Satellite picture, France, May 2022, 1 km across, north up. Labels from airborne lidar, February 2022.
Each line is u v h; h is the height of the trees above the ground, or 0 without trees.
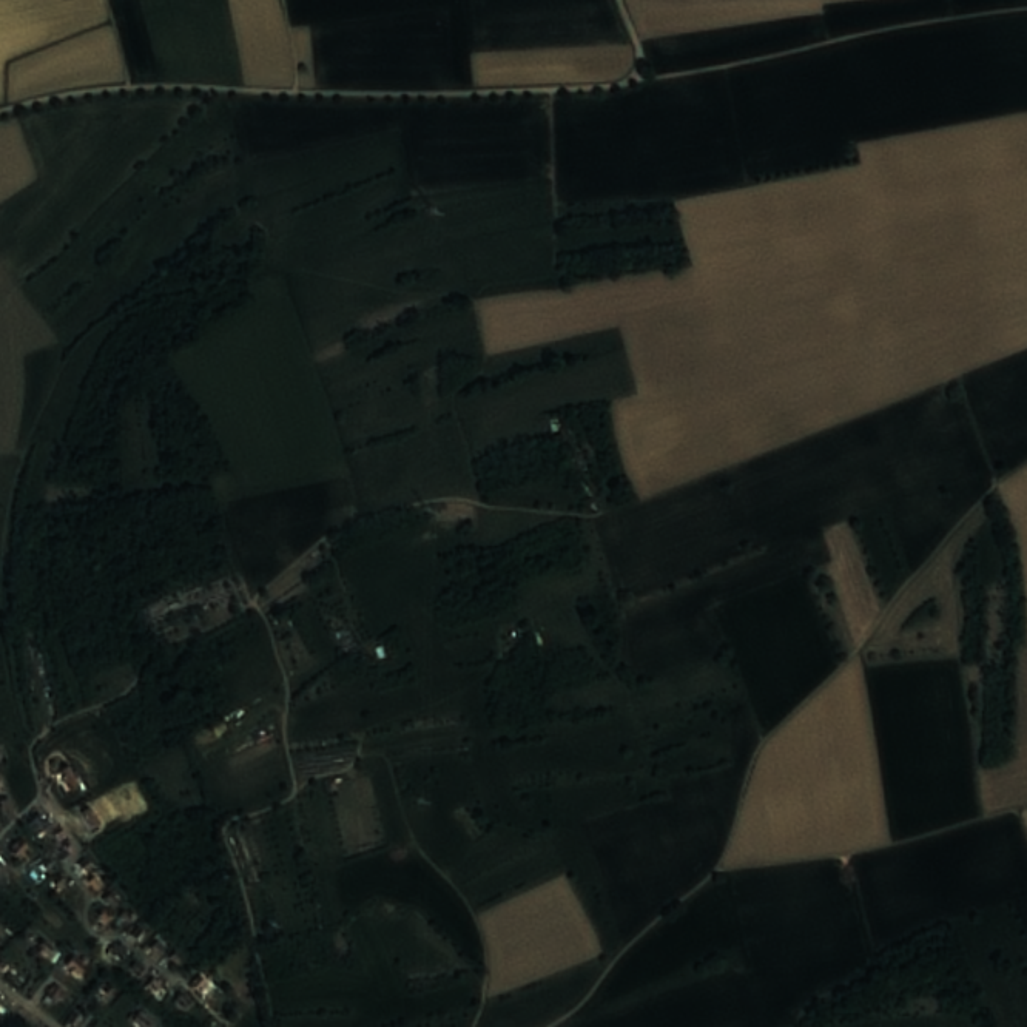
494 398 0
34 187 0
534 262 0
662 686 0
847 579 0
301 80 0
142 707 7
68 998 0
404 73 0
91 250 0
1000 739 7
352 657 6
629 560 0
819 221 0
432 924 8
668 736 0
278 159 0
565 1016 0
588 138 0
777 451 0
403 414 0
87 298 0
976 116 0
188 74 0
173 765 0
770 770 0
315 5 0
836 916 0
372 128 0
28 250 0
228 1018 13
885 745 0
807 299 0
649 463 0
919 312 0
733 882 0
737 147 0
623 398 0
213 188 0
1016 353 0
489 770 0
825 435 0
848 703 0
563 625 0
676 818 0
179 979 0
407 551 0
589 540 0
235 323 0
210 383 0
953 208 0
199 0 0
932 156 0
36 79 0
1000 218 0
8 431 0
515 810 0
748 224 0
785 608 0
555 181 0
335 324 0
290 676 0
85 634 17
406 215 8
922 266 0
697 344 0
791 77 0
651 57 0
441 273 0
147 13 0
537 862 0
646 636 0
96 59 0
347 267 0
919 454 0
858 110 0
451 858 0
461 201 0
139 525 18
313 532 0
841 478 0
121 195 0
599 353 0
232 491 0
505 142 0
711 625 0
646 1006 0
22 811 0
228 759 0
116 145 0
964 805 0
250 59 0
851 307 0
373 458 0
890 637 0
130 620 7
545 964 0
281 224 0
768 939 0
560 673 5
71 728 0
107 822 0
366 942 0
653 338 0
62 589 16
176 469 10
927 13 0
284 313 0
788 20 0
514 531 0
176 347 11
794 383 0
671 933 0
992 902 0
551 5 0
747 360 0
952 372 0
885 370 0
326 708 0
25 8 0
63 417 0
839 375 0
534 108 0
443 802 0
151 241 0
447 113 0
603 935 0
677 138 0
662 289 0
